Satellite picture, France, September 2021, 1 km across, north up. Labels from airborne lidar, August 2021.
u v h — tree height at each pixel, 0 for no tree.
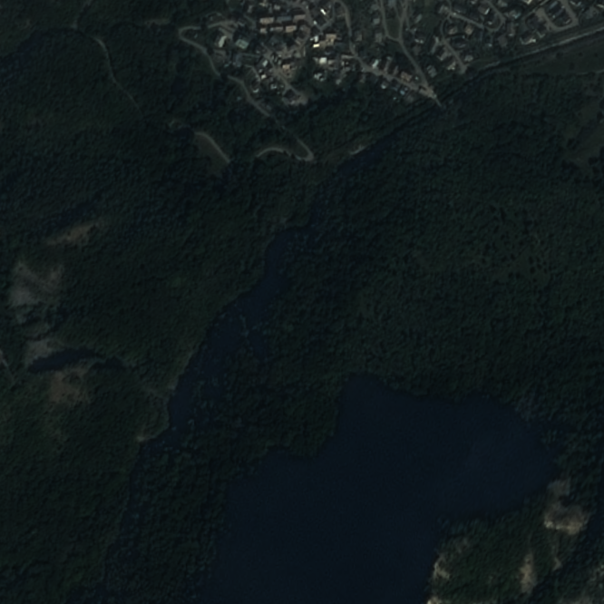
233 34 0
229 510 26
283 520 24
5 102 10
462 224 9
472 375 14
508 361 16
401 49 0
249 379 25
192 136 15
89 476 19
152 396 7
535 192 16
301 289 15
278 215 17
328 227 20
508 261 9
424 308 14
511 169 19
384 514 8
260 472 28
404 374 16
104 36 14
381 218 17
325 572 15
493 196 10
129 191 27
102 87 25
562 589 9
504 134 19
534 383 9
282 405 30
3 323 11
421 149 7
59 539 31
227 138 16
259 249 12
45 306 11
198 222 9
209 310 20
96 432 21
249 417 30
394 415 37
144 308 20
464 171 13
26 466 21
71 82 16
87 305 19
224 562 19
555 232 6
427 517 7
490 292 13
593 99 6
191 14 9
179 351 13
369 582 20
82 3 12
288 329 27
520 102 15
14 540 25
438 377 21
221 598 18
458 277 13
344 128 16
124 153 17
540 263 12
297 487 34
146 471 19
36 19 8
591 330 18
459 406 24
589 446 15
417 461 18
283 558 18
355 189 18
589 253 7
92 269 16
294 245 13
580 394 14
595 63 0
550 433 17
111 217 8
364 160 14
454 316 16
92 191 17
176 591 14
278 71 0
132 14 17
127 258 20
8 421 7
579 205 9
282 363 26
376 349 13
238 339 13
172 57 19
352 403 29
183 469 33
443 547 9
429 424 27
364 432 36
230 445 27
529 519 11
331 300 23
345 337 10
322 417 30
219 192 20
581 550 12
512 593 13
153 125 21
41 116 14
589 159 0
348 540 18
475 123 15
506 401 13
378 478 17
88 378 8
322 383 14
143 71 23
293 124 17
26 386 8
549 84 12
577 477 15
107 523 16
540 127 13
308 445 35
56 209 13
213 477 35
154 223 26
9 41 10
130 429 17
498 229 7
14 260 9
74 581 28
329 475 32
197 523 26
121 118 13
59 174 15
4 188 22
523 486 0
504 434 11
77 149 13
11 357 13
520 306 15
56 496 26
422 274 7
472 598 10
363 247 19
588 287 15
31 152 17
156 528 25
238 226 15
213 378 13
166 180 10
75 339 12
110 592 6
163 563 28
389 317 7
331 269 24
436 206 9
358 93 17
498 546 11
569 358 16
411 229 8
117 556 17
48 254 7
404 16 0
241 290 20
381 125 12
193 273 14
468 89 10
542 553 8
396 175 16
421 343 15
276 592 17
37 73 16
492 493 0
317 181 11
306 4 0
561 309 13
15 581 26
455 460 8
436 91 7
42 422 7
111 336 12
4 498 22
